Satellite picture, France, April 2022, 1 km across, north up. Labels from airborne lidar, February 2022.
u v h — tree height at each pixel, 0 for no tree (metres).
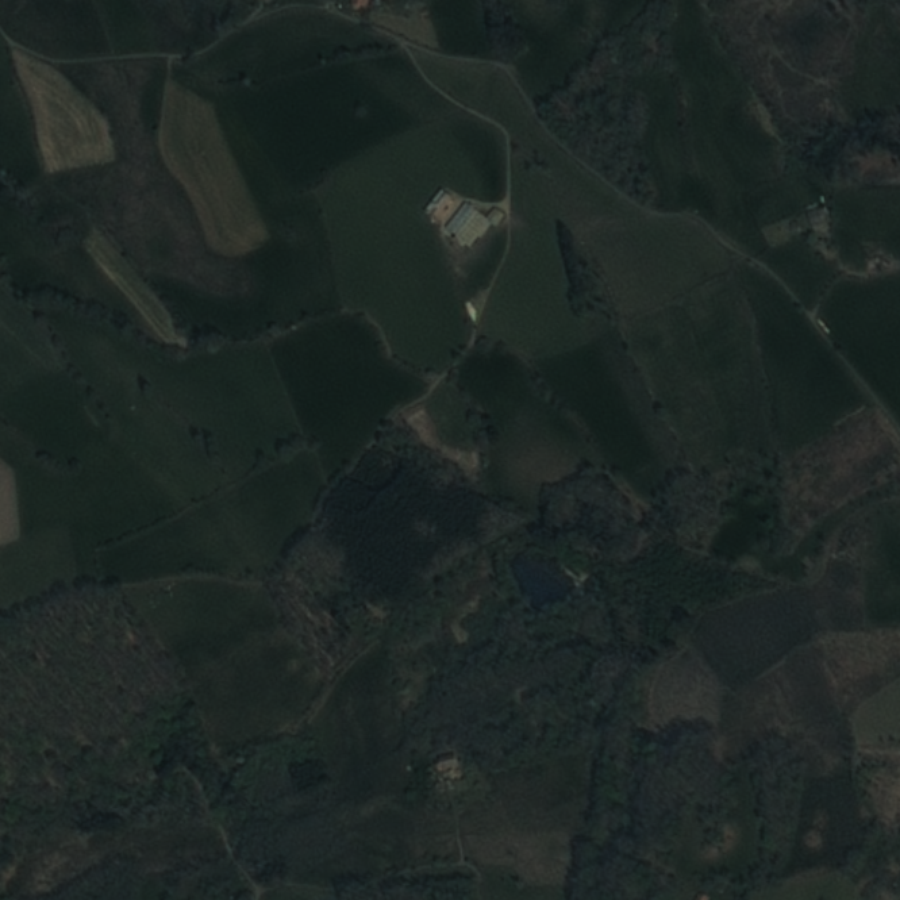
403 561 24
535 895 0
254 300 0
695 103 0
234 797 21
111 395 0
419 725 14
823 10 0
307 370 0
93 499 0
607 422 0
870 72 0
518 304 0
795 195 0
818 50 0
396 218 0
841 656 0
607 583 21
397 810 0
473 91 0
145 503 0
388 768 0
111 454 0
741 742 0
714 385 0
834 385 0
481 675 22
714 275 0
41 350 0
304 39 0
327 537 20
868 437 0
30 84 0
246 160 0
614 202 0
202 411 0
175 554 0
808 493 0
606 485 22
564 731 6
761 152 0
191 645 0
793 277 0
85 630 26
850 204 0
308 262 0
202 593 0
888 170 0
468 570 18
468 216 0
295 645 0
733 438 0
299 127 0
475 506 25
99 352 0
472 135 0
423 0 7
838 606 0
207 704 0
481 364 0
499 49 16
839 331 0
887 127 21
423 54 0
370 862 0
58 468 9
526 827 0
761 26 0
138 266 0
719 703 0
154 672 30
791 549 19
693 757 31
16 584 0
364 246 0
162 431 0
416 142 0
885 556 0
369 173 0
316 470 0
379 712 0
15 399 0
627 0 0
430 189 0
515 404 0
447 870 0
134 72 0
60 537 0
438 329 0
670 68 14
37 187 0
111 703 29
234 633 0
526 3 0
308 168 0
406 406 0
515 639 25
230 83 5
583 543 28
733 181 0
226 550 0
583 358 0
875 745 0
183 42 0
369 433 0
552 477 0
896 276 0
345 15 0
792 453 0
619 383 0
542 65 0
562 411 12
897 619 0
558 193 0
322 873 0
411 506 23
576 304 19
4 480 0
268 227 0
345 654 31
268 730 0
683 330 0
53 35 0
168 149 0
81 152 0
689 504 21
